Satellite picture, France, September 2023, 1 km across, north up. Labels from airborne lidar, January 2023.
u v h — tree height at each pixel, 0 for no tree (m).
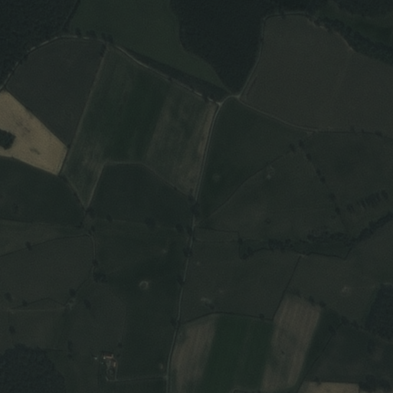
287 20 0
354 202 0
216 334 0
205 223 0
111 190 0
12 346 0
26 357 22
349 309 0
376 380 16
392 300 25
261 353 0
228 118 0
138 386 0
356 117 0
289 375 0
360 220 0
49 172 0
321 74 0
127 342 0
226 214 0
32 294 0
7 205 0
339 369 0
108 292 0
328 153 0
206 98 15
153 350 0
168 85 0
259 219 0
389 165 0
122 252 0
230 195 0
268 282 0
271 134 0
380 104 0
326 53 0
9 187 0
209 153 0
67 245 0
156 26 0
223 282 0
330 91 0
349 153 0
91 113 0
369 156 0
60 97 0
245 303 0
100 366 0
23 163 0
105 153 0
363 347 0
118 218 0
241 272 0
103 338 0
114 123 0
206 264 0
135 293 0
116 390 0
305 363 0
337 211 12
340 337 0
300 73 0
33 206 0
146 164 0
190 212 0
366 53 18
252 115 0
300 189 0
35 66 0
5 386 22
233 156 0
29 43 13
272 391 0
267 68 0
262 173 0
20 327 0
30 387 18
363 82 0
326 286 0
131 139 0
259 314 0
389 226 0
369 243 0
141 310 0
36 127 0
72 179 0
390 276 0
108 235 0
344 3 18
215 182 0
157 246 0
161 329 0
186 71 0
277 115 0
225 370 0
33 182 0
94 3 0
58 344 0
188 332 0
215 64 7
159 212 0
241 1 9
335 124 0
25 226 0
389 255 0
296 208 0
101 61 0
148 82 0
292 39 0
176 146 0
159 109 0
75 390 0
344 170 0
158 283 0
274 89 0
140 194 0
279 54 0
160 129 0
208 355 0
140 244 0
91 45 0
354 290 0
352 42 17
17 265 0
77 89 0
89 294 0
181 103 0
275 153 0
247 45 8
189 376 0
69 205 0
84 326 0
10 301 15
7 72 14
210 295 0
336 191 0
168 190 0
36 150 0
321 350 0
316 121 0
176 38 0
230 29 8
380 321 23
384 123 0
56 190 0
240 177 0
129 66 0
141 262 0
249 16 10
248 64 7
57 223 0
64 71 0
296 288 0
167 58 0
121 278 0
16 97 0
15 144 0
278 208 0
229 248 0
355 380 0
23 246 0
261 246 0
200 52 6
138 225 0
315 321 0
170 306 0
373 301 0
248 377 0
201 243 0
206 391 0
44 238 0
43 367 17
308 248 0
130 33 0
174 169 0
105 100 0
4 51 22
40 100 0
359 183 0
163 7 0
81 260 0
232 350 0
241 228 0
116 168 0
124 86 0
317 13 0
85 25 0
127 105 0
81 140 0
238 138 0
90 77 0
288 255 0
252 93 0
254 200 0
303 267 0
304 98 0
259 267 0
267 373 0
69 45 0
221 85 0
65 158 0
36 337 0
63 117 0
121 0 0
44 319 0
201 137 0
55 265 0
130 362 0
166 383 0
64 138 0
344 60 0
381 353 0
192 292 0
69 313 0
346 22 0
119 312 0
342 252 0
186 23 9
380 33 0
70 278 0
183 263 0
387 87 0
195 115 0
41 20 13
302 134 0
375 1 16
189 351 0
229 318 0
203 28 9
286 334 0
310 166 0
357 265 0
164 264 0
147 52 0
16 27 23
